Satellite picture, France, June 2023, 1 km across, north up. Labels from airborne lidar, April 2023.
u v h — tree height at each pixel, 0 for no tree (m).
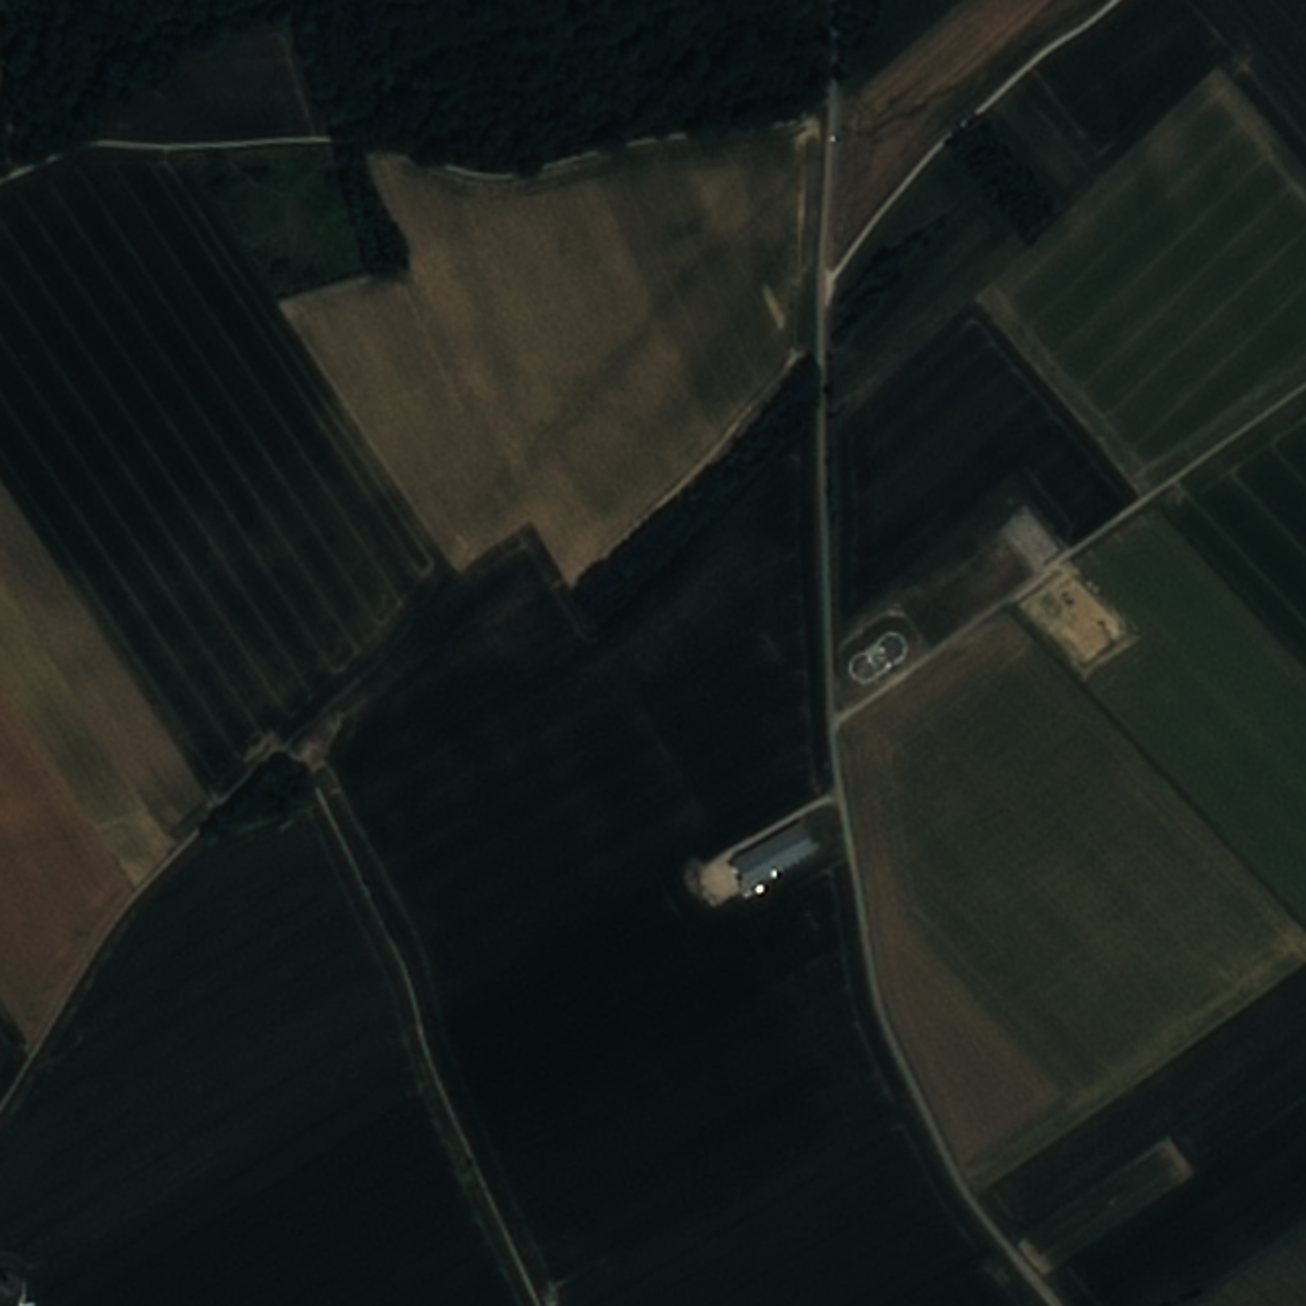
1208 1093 0
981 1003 0
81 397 0
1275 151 0
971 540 0
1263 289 0
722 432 0
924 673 0
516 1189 0
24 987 0
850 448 0
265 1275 0
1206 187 0
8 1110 0
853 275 0
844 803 0
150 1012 0
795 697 0
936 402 0
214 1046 0
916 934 0
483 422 0
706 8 28
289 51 0
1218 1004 0
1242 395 0
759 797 0
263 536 0
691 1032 0
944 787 0
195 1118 0
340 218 0
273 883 0
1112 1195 0
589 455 0
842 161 0
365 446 0
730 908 0
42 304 0
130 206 0
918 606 0
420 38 26
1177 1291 0
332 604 0
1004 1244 0
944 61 0
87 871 0
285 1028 0
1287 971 0
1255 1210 0
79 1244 0
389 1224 0
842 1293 0
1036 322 0
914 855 0
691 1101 0
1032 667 0
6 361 0
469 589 0
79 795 0
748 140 0
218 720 0
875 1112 0
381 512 0
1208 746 0
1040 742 0
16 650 0
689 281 0
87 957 0
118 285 0
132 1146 0
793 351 0
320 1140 0
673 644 0
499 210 0
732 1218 0
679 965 0
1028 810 0
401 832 0
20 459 0
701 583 0
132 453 0
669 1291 0
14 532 0
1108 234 0
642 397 0
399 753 0
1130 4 0
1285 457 0
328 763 0
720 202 0
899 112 0
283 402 0
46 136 19
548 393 0
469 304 0
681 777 0
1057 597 0
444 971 0
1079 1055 0
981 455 0
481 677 0
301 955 0
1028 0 0
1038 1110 0
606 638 0
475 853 0
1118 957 0
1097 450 0
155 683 0
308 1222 0
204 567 0
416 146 24
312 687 0
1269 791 0
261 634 0
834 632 0
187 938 0
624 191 0
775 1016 0
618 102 23
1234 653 0
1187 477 0
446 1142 0
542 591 0
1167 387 0
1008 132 0
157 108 0
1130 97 0
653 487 0
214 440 0
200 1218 0
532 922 0
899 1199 0
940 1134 0
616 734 0
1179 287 0
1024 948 0
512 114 26
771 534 0
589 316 0
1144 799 0
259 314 0
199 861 0
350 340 0
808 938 0
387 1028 0
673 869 0
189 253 0
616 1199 0
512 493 0
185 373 0
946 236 0
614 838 0
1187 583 0
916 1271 0
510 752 0
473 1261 0
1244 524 0
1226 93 0
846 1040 0
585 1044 0
